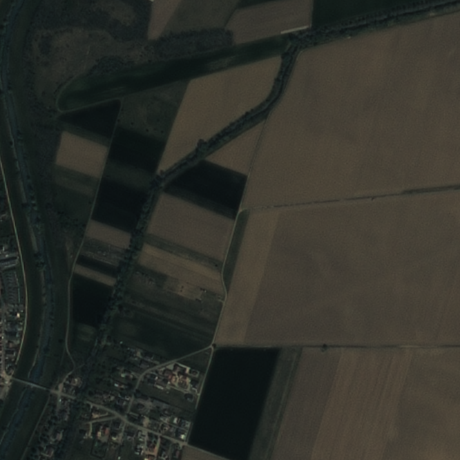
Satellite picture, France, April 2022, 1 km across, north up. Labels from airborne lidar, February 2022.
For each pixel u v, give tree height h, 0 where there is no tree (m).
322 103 0
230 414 0
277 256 0
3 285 6
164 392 0
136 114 0
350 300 0
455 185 0
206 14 0
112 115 0
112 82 0
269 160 0
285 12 0
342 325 0
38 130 11
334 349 0
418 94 0
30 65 13
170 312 0
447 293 0
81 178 0
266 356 0
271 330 0
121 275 14
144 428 0
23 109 0
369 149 0
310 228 0
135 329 0
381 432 0
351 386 0
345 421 0
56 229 13
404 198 0
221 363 0
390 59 0
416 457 0
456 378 0
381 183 0
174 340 0
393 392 0
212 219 0
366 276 0
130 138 0
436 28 0
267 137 0
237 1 0
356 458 0
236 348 0
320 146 0
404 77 0
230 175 0
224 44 14
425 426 0
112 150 0
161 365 0
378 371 0
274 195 0
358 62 0
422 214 0
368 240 0
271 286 0
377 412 0
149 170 0
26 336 0
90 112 0
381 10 0
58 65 0
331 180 0
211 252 0
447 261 0
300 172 0
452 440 0
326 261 0
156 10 0
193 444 0
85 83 0
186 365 0
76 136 0
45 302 0
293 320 0
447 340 0
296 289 0
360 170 0
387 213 0
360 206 0
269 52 0
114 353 0
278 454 0
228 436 0
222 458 0
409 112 0
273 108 0
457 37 0
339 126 0
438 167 0
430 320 0
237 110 0
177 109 0
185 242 0
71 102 0
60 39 0
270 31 0
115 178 0
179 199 0
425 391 0
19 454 0
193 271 0
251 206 0
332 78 0
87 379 19
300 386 0
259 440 0
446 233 0
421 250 0
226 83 0
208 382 0
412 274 0
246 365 0
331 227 0
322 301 0
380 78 0
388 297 0
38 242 0
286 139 0
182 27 0
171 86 0
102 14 14
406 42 0
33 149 0
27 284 0
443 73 0
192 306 0
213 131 0
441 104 0
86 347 0
